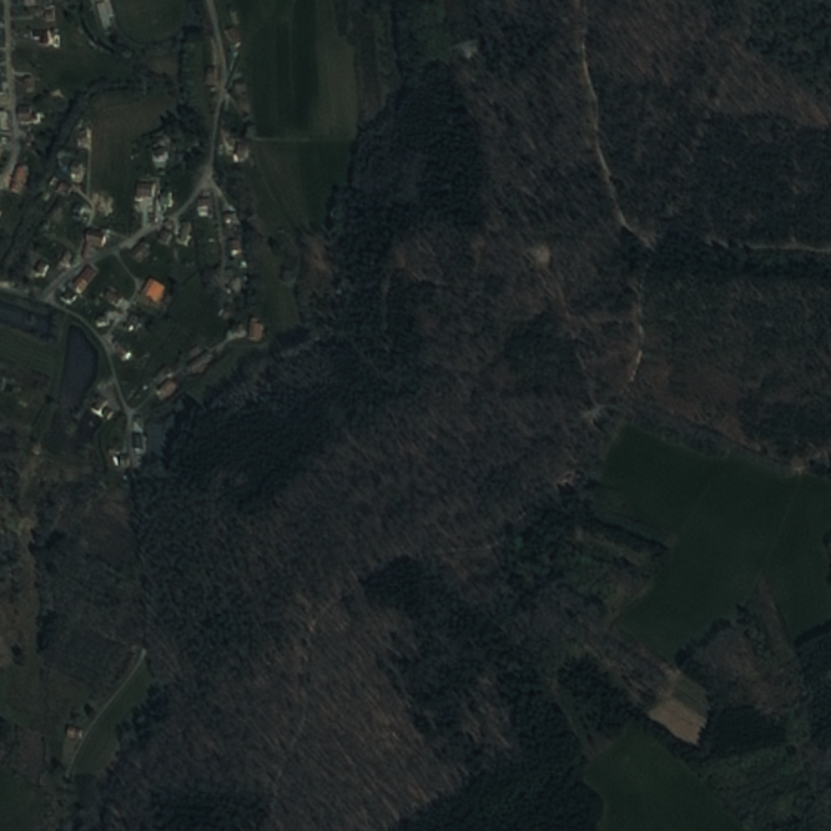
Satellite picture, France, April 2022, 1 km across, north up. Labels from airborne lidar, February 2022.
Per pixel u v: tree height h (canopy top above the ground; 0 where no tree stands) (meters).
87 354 0
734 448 20
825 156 21
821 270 27
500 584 27
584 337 9
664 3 28
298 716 22
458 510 34
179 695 20
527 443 30
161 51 15
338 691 22
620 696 11
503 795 26
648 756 0
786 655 0
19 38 0
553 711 29
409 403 30
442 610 23
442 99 28
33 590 0
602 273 6
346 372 28
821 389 14
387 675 26
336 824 23
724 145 23
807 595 0
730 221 24
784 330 19
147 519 29
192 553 26
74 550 12
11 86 0
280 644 24
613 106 20
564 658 20
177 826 21
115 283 0
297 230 0
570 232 22
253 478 19
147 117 0
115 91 8
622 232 21
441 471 32
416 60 19
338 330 8
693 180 25
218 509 25
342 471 31
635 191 25
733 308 15
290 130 0
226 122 8
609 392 20
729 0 24
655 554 21
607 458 26
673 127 25
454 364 23
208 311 0
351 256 29
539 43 24
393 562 29
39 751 0
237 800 24
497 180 22
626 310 6
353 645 24
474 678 26
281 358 18
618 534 20
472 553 11
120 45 20
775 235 21
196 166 17
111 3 0
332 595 25
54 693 0
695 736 0
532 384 11
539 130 22
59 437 0
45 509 14
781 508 0
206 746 28
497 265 20
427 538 31
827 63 25
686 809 0
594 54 25
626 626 0
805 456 12
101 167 0
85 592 21
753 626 23
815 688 22
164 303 0
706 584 0
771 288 15
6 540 16
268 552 24
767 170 22
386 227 29
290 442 26
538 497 29
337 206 14
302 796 23
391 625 22
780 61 26
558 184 28
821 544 0
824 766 22
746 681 20
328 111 0
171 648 22
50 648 22
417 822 24
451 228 29
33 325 10
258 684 24
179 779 28
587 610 27
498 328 19
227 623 23
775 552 0
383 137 28
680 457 0
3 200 0
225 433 24
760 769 9
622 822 0
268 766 26
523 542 27
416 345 7
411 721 27
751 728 11
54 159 17
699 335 16
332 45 0
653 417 24
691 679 27
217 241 0
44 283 0
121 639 10
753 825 14
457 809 26
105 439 0
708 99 27
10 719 0
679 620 0
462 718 26
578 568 15
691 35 27
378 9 23
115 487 0
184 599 25
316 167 0
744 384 13
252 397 32
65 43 0
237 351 0
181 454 17
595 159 17
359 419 28
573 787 28
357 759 25
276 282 0
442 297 22
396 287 9
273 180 0
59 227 0
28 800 0
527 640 26
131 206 0
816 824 19
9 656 0
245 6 0
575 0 25
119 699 0
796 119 26
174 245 0
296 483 25
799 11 18
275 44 0
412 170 29
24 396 0
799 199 25
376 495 32
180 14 0
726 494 0
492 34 19
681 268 28
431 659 21
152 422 0
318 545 28
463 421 32
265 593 23
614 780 0
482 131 21
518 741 23
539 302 22
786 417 12
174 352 0
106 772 0
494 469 26
